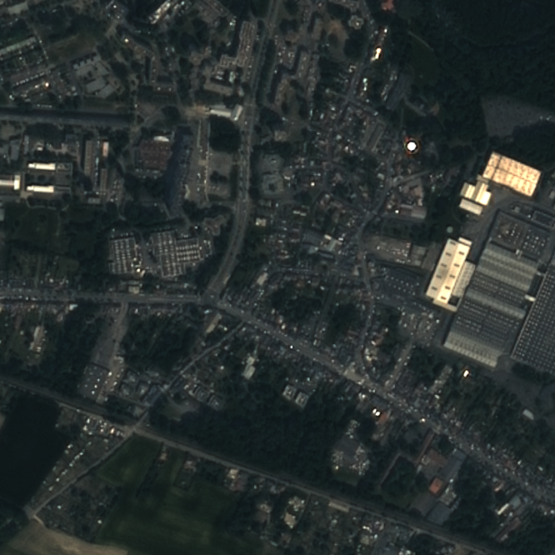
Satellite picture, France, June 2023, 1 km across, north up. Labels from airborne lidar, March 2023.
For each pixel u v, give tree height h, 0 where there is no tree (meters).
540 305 0
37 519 0
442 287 0
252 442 29
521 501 0
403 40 19
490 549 0
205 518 0
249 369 0
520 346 0
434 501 0
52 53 0
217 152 0
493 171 0
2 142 6
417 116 0
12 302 0
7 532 18
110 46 20
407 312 0
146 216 21
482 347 0
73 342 22
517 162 0
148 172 0
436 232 11
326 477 19
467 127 24
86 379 0
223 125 20
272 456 30
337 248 0
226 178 9
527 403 0
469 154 20
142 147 0
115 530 0
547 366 0
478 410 10
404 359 0
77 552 0
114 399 8
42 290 9
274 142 16
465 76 29
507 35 19
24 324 7
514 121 0
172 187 0
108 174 0
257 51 9
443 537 0
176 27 0
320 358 0
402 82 0
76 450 0
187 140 0
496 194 0
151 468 5
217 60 0
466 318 0
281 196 0
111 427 0
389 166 0
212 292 0
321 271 0
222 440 28
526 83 26
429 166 13
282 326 0
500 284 0
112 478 0
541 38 13
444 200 14
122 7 0
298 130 0
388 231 7
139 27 15
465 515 7
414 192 0
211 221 0
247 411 25
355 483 0
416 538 17
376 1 20
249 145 0
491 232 0
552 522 13
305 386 0
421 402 0
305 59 0
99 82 0
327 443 20
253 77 0
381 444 13
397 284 0
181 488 0
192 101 11
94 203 6
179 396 12
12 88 9
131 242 0
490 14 37
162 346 19
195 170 0
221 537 0
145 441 0
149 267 0
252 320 0
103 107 0
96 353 0
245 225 0
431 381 18
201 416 22
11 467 0
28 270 0
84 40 0
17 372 18
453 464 0
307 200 15
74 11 16
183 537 0
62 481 0
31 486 0
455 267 0
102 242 12
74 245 11
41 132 18
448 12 22
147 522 0
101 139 0
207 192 0
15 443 0
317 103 9
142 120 7
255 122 0
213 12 0
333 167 0
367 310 0
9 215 0
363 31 23
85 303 20
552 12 37
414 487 20
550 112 0
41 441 0
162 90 12
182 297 0
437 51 19
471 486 17
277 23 0
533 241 0
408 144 0
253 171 10
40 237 0
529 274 0
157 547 0
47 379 17
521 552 10
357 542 10
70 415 0
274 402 24
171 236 0
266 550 0
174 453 0
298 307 19
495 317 0
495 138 11
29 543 0
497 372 0
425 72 0
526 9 36
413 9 27
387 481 16
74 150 0
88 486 0
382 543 0
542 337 0
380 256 0
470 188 0
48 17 20
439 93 25
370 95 7
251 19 0
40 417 0
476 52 28
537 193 8
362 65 0
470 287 0
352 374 0
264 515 0
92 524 0
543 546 13
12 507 20
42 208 0
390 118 17
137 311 0
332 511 0
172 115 20
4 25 17
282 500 9
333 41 23
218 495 0
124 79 7
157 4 0
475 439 0
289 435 25
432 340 0
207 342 7
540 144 23
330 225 10
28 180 6
